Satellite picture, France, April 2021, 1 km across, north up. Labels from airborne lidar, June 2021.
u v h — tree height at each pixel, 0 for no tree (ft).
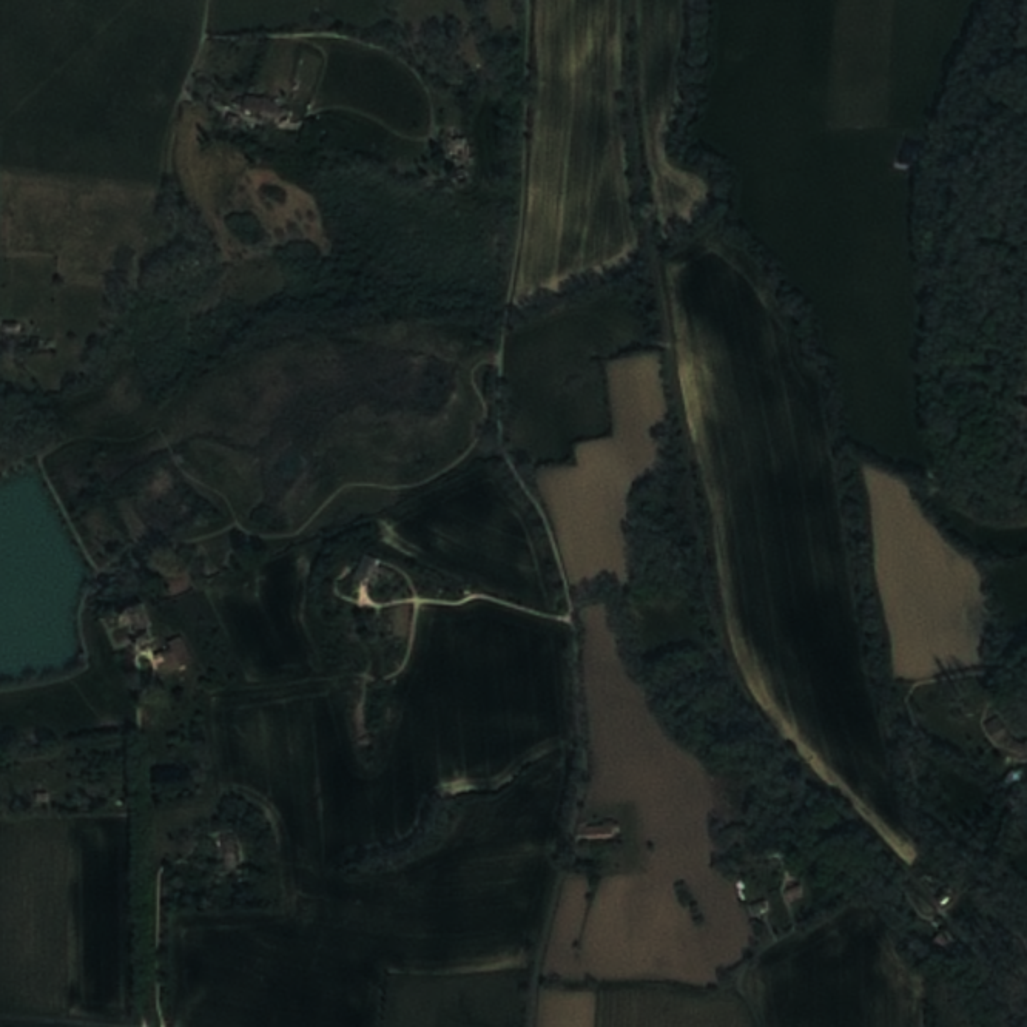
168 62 0
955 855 96
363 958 0
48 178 0
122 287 71
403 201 31
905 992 0
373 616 25
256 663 0
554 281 0
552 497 0
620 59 0
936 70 0
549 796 0
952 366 68
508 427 28
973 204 83
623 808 0
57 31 0
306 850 0
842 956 0
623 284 69
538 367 0
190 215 64
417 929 0
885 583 0
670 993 0
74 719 0
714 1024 0
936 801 62
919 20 0
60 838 0
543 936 0
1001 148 73
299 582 0
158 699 87
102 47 0
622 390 0
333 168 25
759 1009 0
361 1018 0
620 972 0
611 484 0
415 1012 0
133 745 45
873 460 48
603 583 39
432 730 0
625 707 0
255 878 27
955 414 71
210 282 68
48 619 0
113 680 0
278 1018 0
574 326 0
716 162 48
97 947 0
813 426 0
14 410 68
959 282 55
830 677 0
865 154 0
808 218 0
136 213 0
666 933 0
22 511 0
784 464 0
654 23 0
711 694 85
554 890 0
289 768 0
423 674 0
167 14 0
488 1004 0
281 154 28
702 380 0
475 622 0
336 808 0
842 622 0
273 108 0
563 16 0
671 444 26
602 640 0
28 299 0
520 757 0
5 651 0
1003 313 84
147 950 41
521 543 0
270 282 0
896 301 0
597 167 0
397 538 0
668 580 80
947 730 0
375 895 0
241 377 0
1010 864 101
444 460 0
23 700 0
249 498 0
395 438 0
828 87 0
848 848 93
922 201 69
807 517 0
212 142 90
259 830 20
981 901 101
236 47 25
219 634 20
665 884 0
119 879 0
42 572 0
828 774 0
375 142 0
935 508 58
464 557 0
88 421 0
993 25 87
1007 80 85
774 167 0
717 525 0
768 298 0
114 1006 0
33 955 0
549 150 0
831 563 0
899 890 64
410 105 0
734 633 0
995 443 72
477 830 0
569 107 0
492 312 68
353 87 0
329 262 28
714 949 0
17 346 26
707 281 0
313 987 0
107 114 0
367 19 0
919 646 0
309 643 0
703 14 68
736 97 0
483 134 0
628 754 0
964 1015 58
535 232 0
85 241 0
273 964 0
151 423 0
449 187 51
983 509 80
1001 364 80
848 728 0
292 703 0
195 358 28
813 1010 0
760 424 0
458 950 0
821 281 0
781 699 0
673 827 0
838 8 0
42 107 0
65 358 0
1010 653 34
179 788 48
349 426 0
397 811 0
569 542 0
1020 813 72
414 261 18
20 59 0
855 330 0
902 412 0
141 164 0
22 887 0
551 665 0
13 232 0
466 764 0
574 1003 0
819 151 0
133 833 40
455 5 0
